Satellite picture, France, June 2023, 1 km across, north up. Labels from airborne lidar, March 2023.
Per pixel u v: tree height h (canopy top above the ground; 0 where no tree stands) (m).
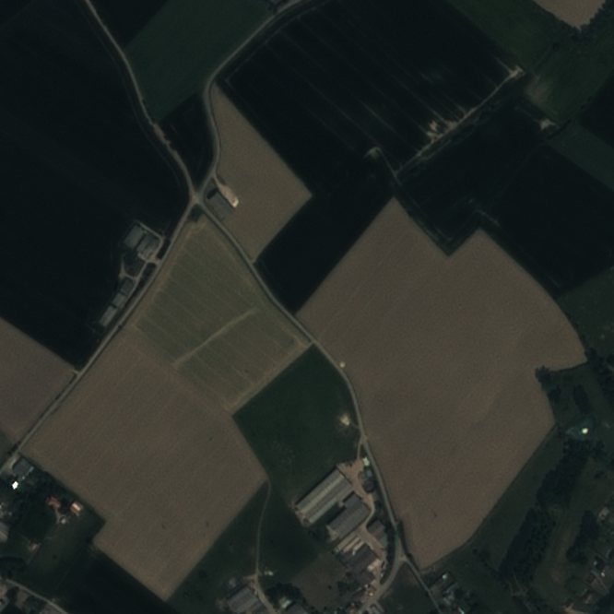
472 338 0
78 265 0
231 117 0
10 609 0
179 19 0
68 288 0
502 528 0
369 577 0
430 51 0
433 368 0
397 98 0
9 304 0
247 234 0
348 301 0
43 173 0
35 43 0
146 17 0
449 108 0
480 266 0
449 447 0
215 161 0
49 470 0
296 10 0
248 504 0
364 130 0
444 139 0
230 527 0
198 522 0
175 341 0
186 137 0
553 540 0
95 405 0
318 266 0
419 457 0
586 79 0
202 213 0
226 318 0
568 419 0
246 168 0
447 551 0
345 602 0
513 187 0
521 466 0
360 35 0
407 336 0
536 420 0
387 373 0
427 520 0
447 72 0
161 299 0
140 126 0
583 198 0
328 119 0
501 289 0
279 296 0
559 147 0
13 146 0
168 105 0
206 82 0
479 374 0
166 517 0
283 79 0
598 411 0
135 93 0
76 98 0
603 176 0
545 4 0
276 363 0
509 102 0
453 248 0
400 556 0
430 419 0
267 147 0
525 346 0
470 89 0
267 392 0
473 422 0
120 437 0
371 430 0
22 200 0
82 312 0
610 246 0
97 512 0
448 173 0
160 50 0
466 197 0
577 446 15
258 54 0
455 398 0
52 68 0
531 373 0
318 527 0
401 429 0
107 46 0
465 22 0
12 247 0
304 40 0
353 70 0
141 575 0
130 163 0
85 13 0
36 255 0
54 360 0
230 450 0
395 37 0
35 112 0
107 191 0
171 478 0
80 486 0
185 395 0
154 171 0
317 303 0
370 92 0
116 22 0
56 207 0
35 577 0
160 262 0
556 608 0
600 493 0
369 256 0
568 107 0
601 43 0
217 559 0
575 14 0
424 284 0
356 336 0
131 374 0
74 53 0
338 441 0
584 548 15
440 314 0
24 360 0
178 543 0
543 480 0
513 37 0
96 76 0
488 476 0
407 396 0
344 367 0
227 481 0
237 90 0
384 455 0
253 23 0
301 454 0
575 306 0
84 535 0
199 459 0
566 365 0
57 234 0
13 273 0
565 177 0
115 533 0
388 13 0
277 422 0
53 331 0
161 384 0
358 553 0
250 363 0
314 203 0
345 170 0
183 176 0
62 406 0
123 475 0
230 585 0
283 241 0
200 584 0
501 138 0
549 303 0
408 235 0
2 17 0
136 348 0
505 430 0
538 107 0
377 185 0
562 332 0
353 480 0
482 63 0
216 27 0
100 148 0
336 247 0
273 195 0
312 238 0
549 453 0
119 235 0
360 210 0
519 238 0
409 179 0
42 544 0
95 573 0
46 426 0
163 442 0
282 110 0
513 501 0
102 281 0
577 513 0
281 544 0
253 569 0
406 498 0
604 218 0
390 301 0
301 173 0
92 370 0
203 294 0
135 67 0
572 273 0
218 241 0
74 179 0
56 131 0
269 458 0
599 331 0
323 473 0
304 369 0
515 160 0
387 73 0
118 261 0
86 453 0
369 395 0
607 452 28
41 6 0
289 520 0
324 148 0
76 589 0
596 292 0
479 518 0
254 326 0
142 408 0
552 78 0
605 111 0
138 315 0
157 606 0
